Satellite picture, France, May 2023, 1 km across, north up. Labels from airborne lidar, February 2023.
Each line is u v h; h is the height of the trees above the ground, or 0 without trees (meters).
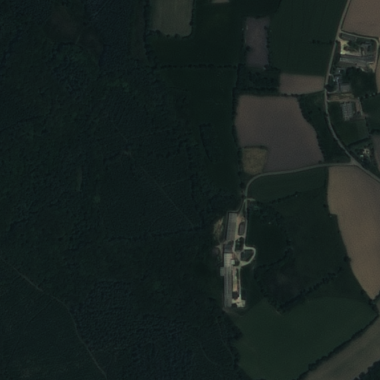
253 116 0
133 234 5
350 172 0
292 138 0
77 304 10
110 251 22
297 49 0
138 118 7
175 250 18
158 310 17
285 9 0
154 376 19
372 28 0
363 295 12
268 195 0
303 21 0
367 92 0
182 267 26
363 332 9
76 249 9
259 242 0
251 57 0
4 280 8
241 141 0
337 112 0
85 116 14
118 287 22
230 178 0
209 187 15
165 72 0
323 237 0
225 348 6
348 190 0
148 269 15
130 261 20
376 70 0
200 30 0
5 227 23
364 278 0
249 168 0
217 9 0
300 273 0
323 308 0
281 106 0
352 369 0
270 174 0
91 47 0
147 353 15
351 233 0
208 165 0
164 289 20
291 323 0
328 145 0
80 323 19
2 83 28
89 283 19
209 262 0
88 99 19
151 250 19
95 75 20
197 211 22
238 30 0
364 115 0
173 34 0
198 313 24
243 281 0
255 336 0
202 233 23
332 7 0
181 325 20
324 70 0
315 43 11
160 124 16
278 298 0
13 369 7
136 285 25
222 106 0
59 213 25
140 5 0
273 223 8
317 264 0
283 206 0
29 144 23
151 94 16
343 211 0
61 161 10
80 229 19
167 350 18
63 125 24
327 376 0
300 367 0
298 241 0
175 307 20
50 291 16
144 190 7
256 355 0
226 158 0
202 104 0
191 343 6
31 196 18
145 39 16
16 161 21
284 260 10
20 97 29
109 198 8
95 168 18
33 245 18
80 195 12
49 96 26
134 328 18
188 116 0
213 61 0
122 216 7
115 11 18
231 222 0
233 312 0
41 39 25
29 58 30
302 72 0
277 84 17
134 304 17
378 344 0
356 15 0
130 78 22
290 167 0
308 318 0
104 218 6
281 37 0
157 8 0
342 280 0
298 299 16
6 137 24
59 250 22
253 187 0
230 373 7
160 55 0
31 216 22
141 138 6
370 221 0
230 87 0
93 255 20
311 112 10
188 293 23
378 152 0
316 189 0
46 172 9
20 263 16
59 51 22
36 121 24
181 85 0
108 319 21
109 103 7
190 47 0
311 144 0
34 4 20
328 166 0
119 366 7
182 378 16
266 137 0
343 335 0
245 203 0
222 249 0
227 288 0
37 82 31
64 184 13
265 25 0
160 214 6
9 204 18
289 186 0
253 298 0
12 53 28
